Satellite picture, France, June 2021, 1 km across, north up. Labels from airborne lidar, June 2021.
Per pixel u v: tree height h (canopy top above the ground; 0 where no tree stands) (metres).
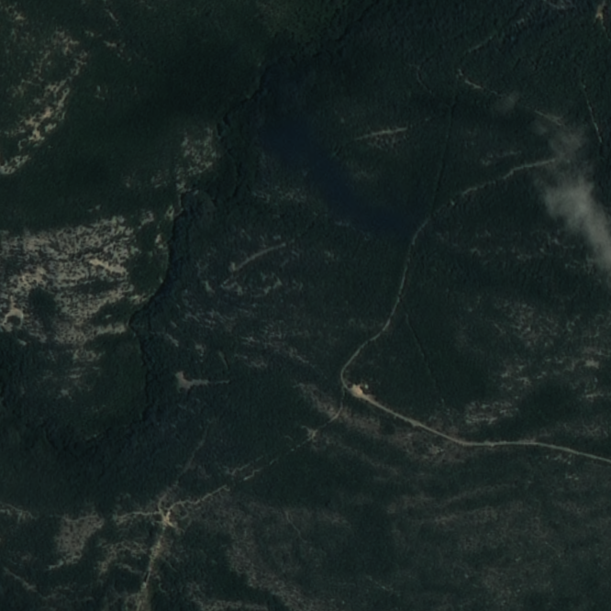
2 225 8
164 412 10
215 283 6
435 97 13
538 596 6
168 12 7
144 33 9
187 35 11
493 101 13
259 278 6
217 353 7
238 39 11
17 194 11
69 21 10
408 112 9
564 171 5
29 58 8
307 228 10
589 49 14
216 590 8
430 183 9
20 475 8
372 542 6
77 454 15
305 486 6
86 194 9
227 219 10
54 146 8
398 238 6
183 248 11
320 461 9
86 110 10
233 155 18
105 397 9
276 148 5
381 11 19
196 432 8
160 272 14
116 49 6
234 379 9
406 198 7
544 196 11
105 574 6
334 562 8
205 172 7
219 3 6
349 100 7
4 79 7
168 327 6
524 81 11
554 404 10
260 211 14
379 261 6
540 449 7
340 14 19
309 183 7
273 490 7
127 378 12
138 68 11
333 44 23
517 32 8
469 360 6
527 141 7
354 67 13
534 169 7
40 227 6
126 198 14
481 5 10
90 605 11
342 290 7
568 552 6
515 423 6
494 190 10
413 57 12
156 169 6
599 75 10
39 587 9
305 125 9
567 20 9
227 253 6
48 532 7
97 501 10
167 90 15
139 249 6
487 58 10
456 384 5
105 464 13
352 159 7
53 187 12
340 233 11
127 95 12
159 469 9
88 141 10
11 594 8
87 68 8
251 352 6
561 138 8
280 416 7
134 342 6
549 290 10
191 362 9
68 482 9
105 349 7
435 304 6
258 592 9
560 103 10
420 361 7
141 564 10
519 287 6
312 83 13
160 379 14
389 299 7
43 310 10
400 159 6
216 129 9
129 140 9
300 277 6
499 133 6
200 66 16
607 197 9
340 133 8
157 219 7
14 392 7
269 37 7
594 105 10
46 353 6
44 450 13
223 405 8
